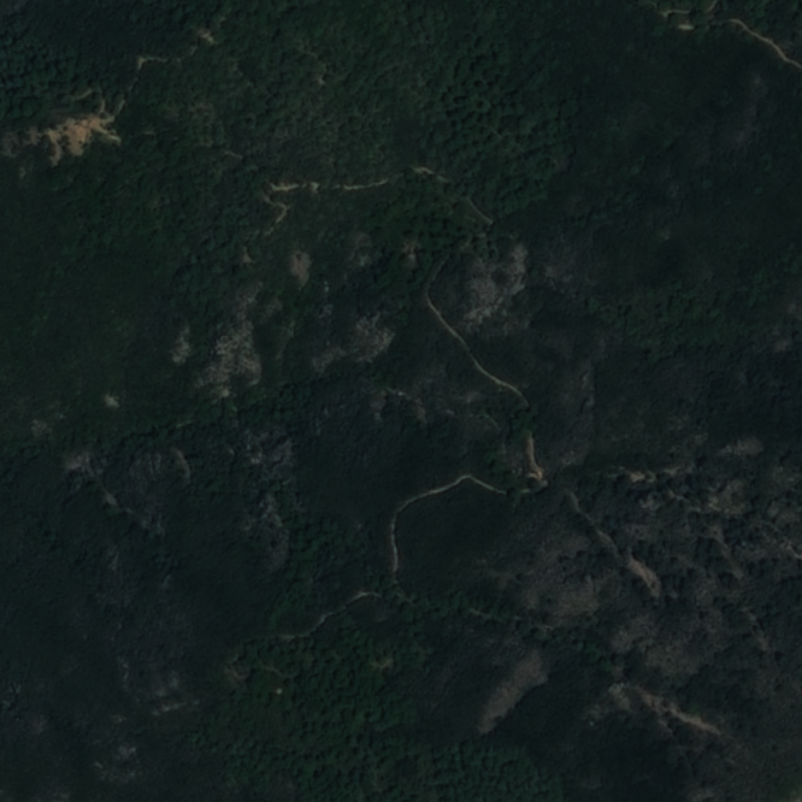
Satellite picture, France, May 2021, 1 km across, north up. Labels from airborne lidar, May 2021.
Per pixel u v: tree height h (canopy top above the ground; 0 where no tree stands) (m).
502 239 9
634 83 8
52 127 7
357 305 7
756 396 6
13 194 6
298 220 6
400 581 6
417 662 13
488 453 15
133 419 10
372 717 17
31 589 7
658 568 7
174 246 10
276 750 12
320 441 7
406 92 16
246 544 9
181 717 8
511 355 8
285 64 25
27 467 8
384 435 6
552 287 6
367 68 10
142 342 6
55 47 7
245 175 13
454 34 10
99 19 9
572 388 0
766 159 8
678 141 9
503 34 13
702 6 12
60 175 13
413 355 8
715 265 7
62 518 6
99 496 9
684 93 7
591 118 10
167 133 10
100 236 11
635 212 8
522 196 15
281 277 9
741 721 6
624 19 8
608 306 16
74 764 6
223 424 10
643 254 6
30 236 8
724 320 6
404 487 6
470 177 8
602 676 9
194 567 7
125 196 6
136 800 6
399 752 14
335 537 12
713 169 6
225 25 9
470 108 17
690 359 7
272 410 9
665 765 9
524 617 6
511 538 6
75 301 8
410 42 13
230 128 7
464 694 6
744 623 13
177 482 8
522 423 14
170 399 10
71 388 7
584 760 7
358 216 7
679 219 6
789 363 8
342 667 14
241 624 7
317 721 12
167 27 7
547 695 6
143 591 7
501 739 12
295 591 19
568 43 12
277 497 7
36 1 6
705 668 6
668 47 8
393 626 7
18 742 5
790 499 10
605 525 5
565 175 10
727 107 8
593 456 7
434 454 9
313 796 12
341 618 8
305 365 6
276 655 15
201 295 14
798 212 6
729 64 7
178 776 7
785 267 13
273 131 16
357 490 6
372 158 6
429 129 8
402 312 10
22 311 8
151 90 15
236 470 9
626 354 7
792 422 9
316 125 15
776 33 7
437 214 8
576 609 0
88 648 6
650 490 14
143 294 7
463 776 18
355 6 6
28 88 16
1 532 6
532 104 10
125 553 6
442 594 8
